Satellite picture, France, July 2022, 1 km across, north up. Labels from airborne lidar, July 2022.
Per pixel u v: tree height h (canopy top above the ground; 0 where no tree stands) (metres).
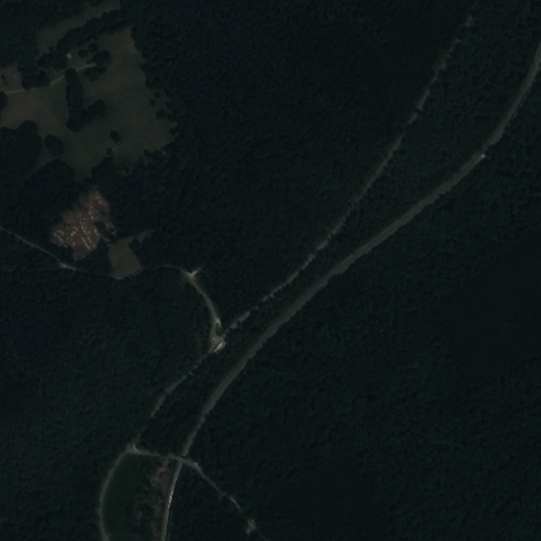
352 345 25
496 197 31
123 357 17
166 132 0
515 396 21
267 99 13
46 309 23
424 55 10
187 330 17
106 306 25
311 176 20
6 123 0
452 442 21
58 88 0
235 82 23
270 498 13
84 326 18
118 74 0
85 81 0
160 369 13
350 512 12
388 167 10
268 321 16
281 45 16
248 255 15
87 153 0
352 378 26
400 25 10
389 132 19
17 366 7
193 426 17
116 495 0
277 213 20
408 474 27
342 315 29
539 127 24
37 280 17
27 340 27
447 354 23
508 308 12
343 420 13
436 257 31
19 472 11
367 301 29
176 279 20
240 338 11
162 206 22
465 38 19
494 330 11
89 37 11
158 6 17
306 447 13
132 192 25
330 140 21
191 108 18
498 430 20
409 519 24
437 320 13
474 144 13
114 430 17
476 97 14
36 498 24
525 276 12
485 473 18
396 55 9
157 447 25
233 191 15
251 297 17
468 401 23
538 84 15
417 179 12
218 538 24
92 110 7
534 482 28
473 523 21
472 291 11
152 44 25
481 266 11
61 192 24
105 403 9
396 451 21
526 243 11
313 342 28
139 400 13
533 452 29
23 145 23
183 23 17
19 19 17
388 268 21
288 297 9
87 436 14
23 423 10
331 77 16
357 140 24
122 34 0
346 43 7
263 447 23
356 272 15
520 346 12
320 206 17
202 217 16
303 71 14
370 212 16
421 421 23
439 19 10
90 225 0
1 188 29
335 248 17
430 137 15
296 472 14
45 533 26
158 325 19
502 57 20
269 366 28
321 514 17
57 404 10
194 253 19
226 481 22
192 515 23
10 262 23
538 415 24
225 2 18
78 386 14
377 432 19
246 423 22
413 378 23
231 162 21
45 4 23
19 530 25
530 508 23
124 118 0
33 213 29
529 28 25
